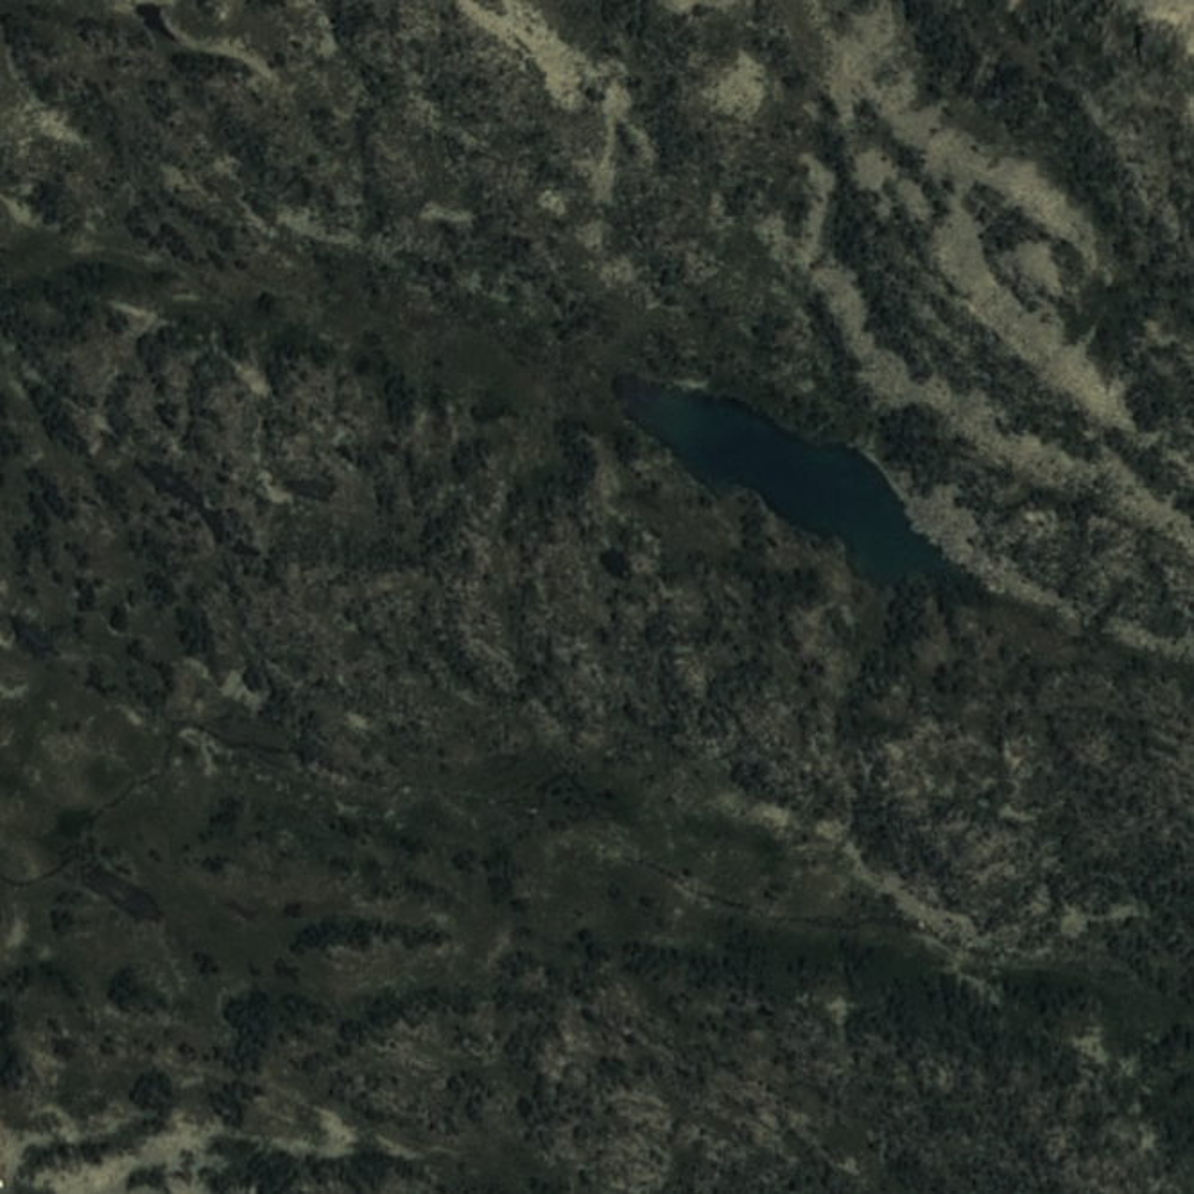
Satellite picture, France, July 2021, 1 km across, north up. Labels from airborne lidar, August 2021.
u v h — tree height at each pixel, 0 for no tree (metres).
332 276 10
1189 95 0
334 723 0
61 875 0
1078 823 14
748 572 10
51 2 0
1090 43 6
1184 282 7
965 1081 8
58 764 0
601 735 0
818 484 0
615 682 0
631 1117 0
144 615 0
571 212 0
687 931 0
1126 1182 8
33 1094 0
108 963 0
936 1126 11
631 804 0
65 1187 0
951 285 7
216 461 6
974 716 0
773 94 0
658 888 0
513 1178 0
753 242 0
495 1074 0
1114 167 6
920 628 9
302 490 0
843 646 0
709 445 0
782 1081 0
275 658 7
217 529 0
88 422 0
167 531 6
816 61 0
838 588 0
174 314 0
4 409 10
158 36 0
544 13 0
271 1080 0
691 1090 8
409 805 0
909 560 0
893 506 0
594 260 0
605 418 0
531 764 0
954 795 0
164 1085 8
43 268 0
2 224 0
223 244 11
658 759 0
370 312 0
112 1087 0
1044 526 7
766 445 0
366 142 8
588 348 0
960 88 7
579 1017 0
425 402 0
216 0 0
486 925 0
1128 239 9
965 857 7
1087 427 10
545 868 0
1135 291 0
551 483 7
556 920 0
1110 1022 0
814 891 0
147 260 0
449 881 0
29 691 0
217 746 0
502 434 0
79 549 9
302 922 0
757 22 7
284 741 0
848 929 0
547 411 0
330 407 0
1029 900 10
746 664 7
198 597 9
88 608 9
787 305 0
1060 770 9
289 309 0
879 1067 9
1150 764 7
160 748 0
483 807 0
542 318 0
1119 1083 11
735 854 0
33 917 0
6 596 0
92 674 0
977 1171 6
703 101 0
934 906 13
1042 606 0
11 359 0
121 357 0
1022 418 10
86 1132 0
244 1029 11
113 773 0
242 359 7
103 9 0
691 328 0
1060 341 0
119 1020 0
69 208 8
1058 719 11
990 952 0
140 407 0
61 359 0
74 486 0
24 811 0
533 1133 10
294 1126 0
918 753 0
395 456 0
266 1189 7
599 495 0
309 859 0
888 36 0
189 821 0
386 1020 6
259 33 0
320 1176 7
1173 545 0
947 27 8
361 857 0
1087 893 13
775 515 0
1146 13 0
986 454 0
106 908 0
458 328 0
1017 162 0
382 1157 7
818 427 14
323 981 0
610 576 0
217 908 0
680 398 0
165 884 0
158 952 0
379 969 0
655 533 0
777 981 0
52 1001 0
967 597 12
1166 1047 13
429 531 10
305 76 0
